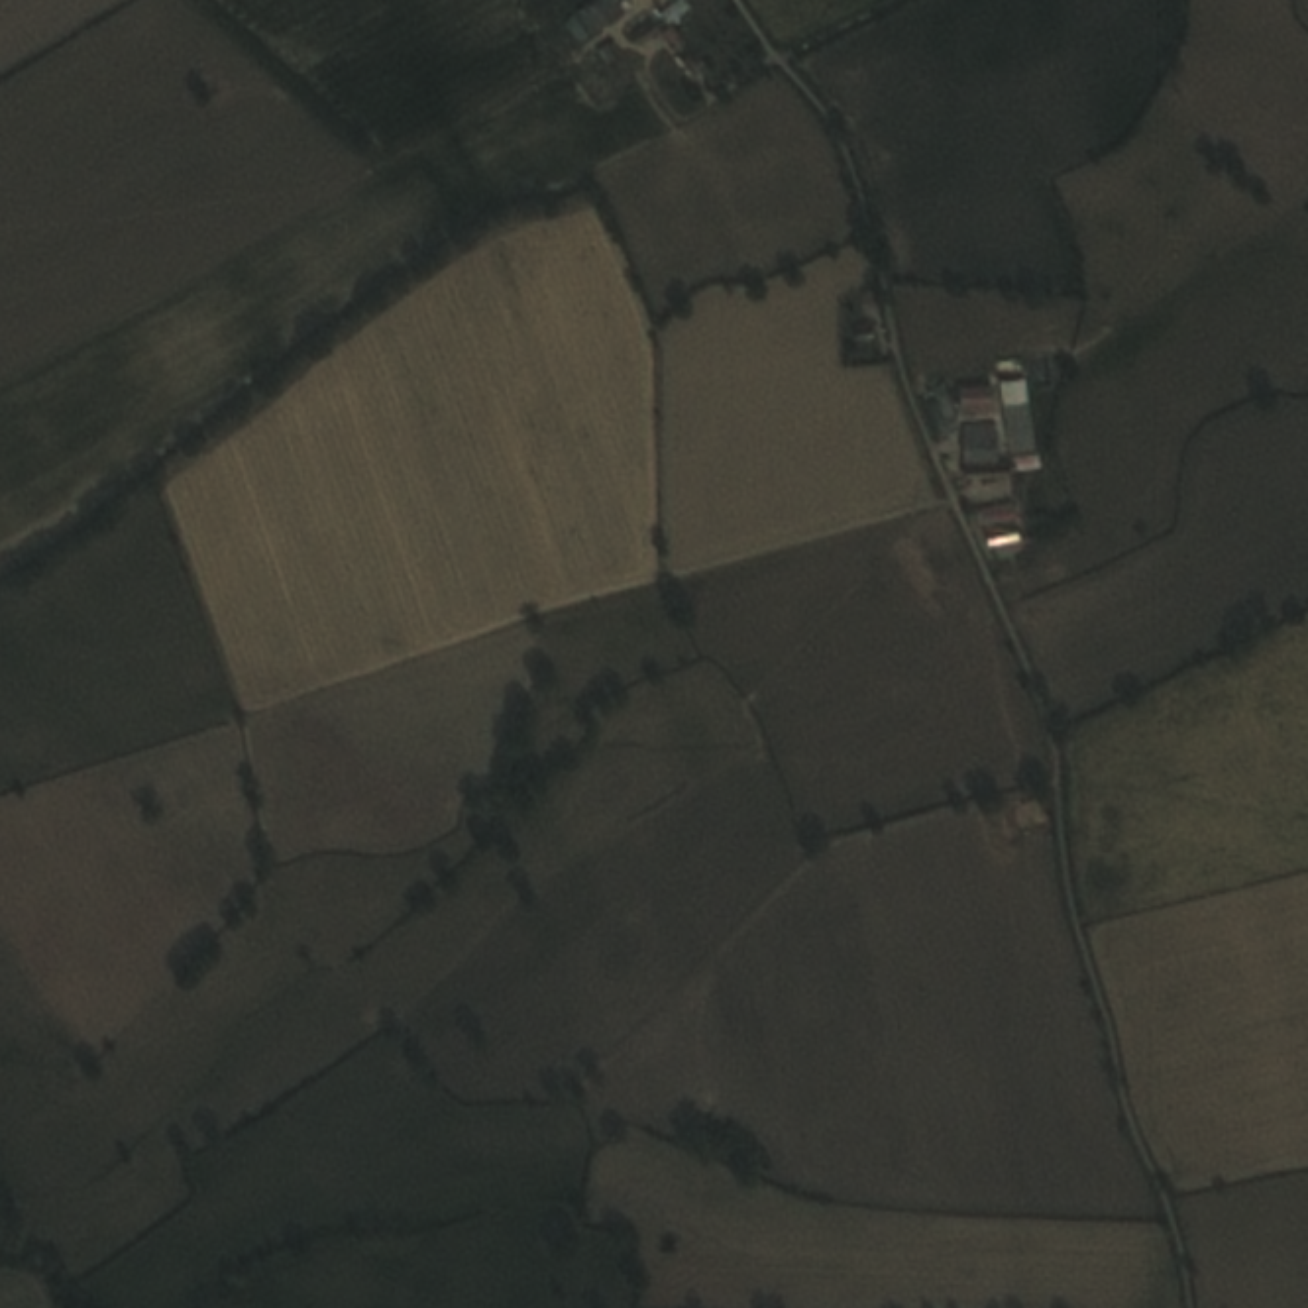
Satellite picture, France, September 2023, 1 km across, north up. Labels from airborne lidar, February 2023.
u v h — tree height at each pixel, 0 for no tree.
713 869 0
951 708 0
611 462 0
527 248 0
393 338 0
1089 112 0
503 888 0
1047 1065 0
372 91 0
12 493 0
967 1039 0
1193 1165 0
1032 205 0
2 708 0
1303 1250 0
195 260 0
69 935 0
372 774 0
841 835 0
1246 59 0
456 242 16
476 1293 0
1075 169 0
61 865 0
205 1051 0
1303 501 0
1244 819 0
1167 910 0
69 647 0
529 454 0
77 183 0
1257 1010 0
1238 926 0
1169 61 17
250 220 0
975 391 0
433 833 0
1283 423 0
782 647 0
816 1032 0
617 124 0
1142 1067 0
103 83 0
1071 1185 0
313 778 0
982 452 0
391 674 0
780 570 0
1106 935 0
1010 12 0
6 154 0
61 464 0
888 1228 0
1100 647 0
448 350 0
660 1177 0
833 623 0
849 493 0
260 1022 0
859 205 6
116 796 0
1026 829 0
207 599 0
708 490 0
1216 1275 0
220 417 11
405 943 0
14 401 0
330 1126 0
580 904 0
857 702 0
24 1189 0
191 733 0
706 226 0
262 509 0
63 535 14
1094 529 0
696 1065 0
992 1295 0
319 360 0
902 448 0
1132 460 0
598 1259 0
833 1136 0
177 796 0
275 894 0
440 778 0
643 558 0
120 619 0
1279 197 0
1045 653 0
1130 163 0
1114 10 0
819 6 0
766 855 0
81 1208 0
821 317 0
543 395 0
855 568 0
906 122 0
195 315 0
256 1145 0
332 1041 0
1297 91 0
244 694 0
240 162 0
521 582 0
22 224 0
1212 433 0
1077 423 0
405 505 0
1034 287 18
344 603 0
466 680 0
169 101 0
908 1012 0
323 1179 0
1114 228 0
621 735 0
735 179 0
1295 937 0
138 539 0
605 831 0
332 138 0
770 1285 0
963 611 0
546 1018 0
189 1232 0
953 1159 0
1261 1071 0
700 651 0
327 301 0
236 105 0
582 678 0
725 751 0
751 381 0
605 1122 11
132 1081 0
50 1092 0
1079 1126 0
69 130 0
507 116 0
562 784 0
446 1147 0
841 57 0
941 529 0
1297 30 0
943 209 0
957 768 0
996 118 0
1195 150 0
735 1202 0
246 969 0
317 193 0
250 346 0
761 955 0
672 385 0
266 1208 0
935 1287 0
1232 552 0
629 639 0
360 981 0
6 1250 18
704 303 0
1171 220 0
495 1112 0
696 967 0
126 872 0
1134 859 0
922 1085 0
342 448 0
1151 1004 0
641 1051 0
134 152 0
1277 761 0
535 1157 0
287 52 0
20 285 0
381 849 0
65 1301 10
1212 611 0
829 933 0
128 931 0
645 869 0
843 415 0
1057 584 0
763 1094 0
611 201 11
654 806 0
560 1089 18
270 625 0
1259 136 0
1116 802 0
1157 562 0
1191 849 0
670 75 0
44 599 0
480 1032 20
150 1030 0
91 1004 0
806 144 0
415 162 0
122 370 0
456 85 0
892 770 0
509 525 0
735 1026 0
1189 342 0
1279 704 0
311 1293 0
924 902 0
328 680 0
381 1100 0
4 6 0
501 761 13
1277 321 0
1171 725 0
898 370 0
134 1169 0
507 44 0
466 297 0
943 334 0
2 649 0
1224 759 0
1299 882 0
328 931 0
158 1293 0
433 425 0
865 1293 0
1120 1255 0
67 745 0
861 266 0
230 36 0
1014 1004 0
